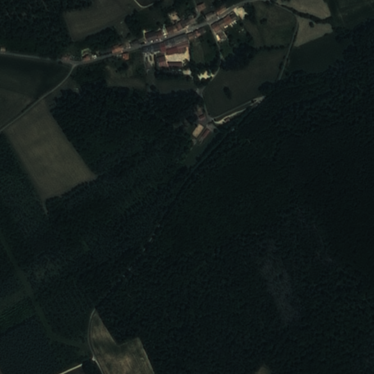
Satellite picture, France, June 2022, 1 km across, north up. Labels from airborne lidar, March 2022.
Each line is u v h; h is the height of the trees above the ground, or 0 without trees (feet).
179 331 73
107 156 40
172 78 52
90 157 25
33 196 22
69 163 0
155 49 0
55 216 47
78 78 0
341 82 88
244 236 57
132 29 56
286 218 47
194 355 71
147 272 54
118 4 0
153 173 63
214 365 70
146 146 47
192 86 0
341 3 0
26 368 53
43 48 49
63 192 0
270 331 48
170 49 0
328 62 0
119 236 64
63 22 23
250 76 0
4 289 37
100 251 73
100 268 55
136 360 0
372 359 73
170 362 68
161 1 37
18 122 0
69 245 32
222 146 36
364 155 60
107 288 58
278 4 0
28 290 0
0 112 0
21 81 0
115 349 0
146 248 69
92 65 21
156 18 0
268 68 0
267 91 59
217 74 0
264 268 57
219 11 0
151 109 77
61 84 0
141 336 62
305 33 0
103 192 54
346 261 39
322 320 71
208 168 53
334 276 58
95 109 52
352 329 62
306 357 59
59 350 27
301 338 66
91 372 59
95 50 26
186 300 62
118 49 0
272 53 0
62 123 50
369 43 65
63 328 31
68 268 29
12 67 0
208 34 0
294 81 56
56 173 0
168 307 67
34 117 0
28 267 22
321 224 54
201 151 0
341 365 72
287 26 0
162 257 32
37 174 0
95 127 54
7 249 0
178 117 64
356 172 65
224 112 0
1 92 0
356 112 59
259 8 0
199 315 63
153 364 45
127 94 93
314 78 49
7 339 58
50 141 0
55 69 0
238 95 0
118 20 0
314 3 0
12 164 28
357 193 55
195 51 0
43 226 24
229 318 65
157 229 37
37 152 0
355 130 63
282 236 61
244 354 76
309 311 50
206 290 57
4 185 21
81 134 63
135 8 0
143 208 57
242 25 40
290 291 44
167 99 76
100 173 23
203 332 65
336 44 0
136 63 0
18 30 67
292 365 52
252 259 60
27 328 54
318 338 56
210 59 0
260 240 61
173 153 55
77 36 0
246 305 51
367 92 66
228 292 61
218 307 53
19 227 32
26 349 52
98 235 55
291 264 61
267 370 0
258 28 0
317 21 38
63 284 44
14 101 0
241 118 30
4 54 0
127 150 51
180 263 56
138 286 24
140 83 0
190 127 0
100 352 0
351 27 0
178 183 46
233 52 0
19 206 31
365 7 0
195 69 66
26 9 60
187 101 85
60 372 35
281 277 55
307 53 0
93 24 0
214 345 55
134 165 56
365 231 46
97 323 0
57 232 37
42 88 0
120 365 0
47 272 19
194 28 0
